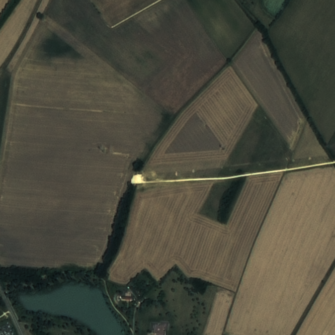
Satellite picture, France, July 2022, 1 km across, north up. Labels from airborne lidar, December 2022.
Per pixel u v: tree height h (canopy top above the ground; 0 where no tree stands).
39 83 0
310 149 0
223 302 0
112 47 0
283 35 0
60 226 0
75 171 0
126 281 0
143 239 0
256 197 0
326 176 0
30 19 0
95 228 0
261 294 0
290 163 0
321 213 0
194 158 0
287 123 0
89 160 0
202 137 0
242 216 0
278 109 0
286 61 0
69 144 0
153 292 0
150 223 0
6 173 0
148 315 0
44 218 0
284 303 0
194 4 0
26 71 0
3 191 0
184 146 0
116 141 0
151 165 0
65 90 0
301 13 0
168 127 0
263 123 0
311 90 0
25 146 0
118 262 0
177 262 0
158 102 0
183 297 0
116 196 0
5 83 0
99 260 0
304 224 0
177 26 0
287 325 0
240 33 0
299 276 0
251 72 0
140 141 0
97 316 0
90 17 0
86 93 0
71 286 0
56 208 0
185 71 0
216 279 0
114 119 0
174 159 0
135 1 0
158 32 0
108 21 0
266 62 0
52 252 0
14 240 0
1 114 0
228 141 0
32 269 13
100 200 0
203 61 0
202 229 0
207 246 0
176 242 0
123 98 0
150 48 0
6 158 0
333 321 0
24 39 0
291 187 0
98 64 0
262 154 0
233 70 0
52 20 0
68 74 0
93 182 0
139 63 0
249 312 0
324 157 0
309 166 0
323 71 0
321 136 9
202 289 9
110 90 0
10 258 0
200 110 0
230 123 0
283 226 0
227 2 0
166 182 0
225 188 0
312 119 9
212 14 0
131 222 0
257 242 0
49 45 0
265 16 0
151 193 0
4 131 0
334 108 0
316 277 0
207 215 0
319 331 0
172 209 0
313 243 0
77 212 0
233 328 0
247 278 0
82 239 0
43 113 0
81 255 0
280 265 0
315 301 0
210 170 0
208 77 0
